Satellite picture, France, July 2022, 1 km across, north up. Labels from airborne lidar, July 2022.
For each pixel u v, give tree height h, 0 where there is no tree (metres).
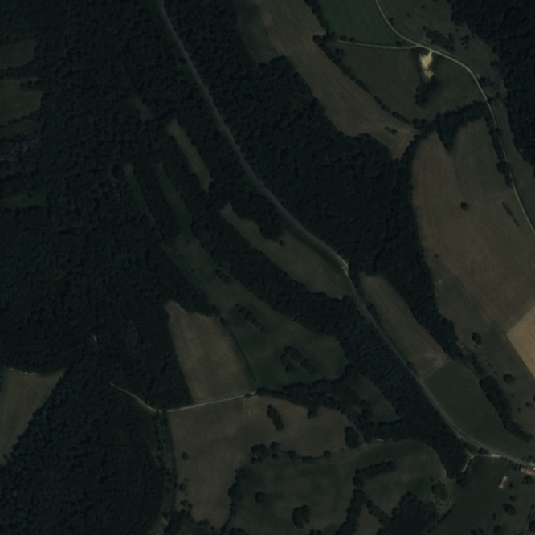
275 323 0
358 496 17
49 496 11
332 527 0
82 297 16
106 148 35
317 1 8
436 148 0
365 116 0
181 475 0
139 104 0
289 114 30
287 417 0
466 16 17
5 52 0
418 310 18
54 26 13
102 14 37
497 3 23
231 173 18
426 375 0
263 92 24
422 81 10
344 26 0
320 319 18
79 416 20
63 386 20
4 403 0
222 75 32
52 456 23
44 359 24
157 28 22
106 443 12
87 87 18
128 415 16
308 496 0
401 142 0
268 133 29
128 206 28
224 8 19
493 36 18
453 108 0
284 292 17
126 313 21
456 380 0
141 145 21
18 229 12
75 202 25
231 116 25
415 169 0
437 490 11
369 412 17
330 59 13
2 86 0
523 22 30
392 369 17
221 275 14
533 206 0
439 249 0
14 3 20
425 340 0
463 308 0
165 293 10
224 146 16
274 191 18
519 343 0
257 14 0
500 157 11
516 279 0
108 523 16
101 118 24
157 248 15
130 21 29
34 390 0
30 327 28
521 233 0
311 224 19
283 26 0
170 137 12
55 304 22
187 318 0
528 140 22
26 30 10
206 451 0
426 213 0
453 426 0
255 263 20
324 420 0
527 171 0
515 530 0
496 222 0
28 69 14
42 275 21
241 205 24
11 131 0
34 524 23
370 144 26
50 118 17
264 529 0
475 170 0
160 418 17
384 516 14
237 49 18
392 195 12
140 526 17
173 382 12
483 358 0
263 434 0
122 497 17
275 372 0
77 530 27
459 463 19
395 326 0
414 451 0
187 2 24
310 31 0
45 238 14
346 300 18
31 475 25
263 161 20
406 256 10
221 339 0
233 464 0
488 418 0
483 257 0
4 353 19
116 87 20
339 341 10
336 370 0
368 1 0
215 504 0
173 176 14
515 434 14
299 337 0
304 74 0
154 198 16
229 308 0
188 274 0
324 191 20
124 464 10
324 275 0
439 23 0
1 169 23
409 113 0
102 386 18
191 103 21
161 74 27
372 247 25
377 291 0
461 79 0
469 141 0
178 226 10
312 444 0
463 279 0
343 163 19
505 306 0
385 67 0
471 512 0
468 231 0
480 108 28
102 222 31
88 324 13
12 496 25
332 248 14
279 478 0
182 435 0
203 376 0
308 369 9
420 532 26
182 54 0
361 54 0
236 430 0
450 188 0
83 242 28
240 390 0
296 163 22
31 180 21
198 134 21
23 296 19
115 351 21
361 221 18
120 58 24
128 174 0
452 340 14
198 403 0
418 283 10
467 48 11
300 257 0
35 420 13
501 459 5
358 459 0
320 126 20
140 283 26
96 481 26
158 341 11
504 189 0
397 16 0
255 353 0
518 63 27
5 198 20
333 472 0
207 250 10
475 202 0
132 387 10
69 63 27
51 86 21
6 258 14
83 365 18
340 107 0
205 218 18
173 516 16
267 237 17
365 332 17
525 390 0
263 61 0
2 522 27
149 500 16
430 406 7
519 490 0
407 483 0
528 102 33
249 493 0
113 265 27
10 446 0
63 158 22
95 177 34
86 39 30
